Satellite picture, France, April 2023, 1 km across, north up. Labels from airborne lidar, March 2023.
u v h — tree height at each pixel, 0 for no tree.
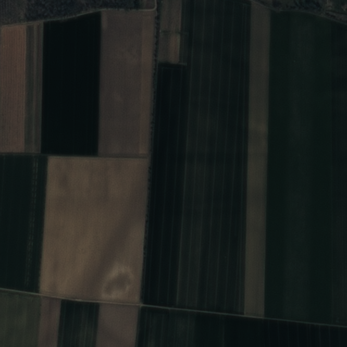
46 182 0
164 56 0
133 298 0
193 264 0
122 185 0
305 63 0
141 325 0
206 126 0
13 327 0
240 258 0
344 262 0
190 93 0
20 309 0
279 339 0
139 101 0
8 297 0
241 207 0
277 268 0
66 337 0
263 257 0
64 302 0
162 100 0
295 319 0
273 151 0
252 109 0
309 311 0
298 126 0
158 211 0
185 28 0
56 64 0
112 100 0
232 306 0
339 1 0
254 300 0
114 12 0
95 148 0
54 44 0
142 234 0
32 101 0
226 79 0
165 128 0
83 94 0
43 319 0
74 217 0
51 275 0
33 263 0
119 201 0
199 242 0
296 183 0
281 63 0
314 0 0
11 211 0
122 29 0
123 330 0
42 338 0
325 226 0
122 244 0
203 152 0
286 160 0
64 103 0
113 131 0
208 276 0
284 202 0
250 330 0
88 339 0
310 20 0
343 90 0
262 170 0
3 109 0
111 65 0
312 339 0
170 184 0
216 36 0
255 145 0
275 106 0
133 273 0
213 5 0
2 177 0
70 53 0
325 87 0
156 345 0
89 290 0
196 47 0
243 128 0
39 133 0
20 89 0
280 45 0
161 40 0
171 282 0
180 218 0
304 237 0
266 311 0
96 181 0
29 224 0
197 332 0
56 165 0
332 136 0
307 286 0
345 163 0
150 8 0
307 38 0
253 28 0
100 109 0
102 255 0
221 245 0
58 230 0
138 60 0
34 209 0
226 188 0
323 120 0
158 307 0
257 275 0
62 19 28
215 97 0
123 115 0
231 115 0
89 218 0
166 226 0
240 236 0
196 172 0
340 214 0
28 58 0
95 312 0
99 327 0
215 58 0
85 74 0
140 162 0
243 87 0
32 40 0
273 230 0
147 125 0
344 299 0
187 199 0
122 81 0
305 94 0
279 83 0
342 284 0
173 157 0
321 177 0
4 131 0
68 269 0
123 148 0
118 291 0
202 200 0
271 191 0
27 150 0
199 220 0
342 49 0
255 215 0
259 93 0
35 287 0
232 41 0
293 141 0
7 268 0
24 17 0
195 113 0
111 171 0
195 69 0
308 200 0
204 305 0
